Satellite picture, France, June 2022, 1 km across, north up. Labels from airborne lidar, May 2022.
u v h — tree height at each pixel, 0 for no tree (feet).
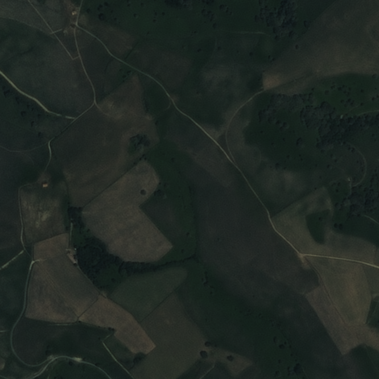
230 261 0
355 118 27
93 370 0
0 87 37
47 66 0
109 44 0
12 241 0
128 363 0
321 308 0
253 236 0
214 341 0
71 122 0
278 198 0
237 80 0
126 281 0
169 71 0
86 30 0
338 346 0
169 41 0
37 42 0
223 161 0
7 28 0
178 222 0
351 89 35
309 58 0
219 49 29
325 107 64
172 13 0
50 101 0
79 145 0
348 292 0
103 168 0
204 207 0
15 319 0
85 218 0
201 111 0
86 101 0
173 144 0
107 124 0
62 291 0
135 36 0
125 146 0
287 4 52
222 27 0
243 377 0
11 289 0
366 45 0
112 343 0
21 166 0
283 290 0
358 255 0
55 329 0
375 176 34
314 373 0
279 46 0
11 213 0
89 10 36
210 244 0
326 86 0
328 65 0
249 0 0
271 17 56
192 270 0
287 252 0
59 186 0
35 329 0
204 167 0
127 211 0
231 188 0
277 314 0
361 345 0
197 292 0
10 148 0
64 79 0
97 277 27
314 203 0
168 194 0
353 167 0
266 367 0
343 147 0
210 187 0
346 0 0
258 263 0
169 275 0
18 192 0
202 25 0
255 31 0
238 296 0
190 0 60
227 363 0
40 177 0
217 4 0
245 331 0
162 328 0
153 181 0
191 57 0
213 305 0
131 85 0
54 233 0
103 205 0
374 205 47
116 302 0
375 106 0
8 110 0
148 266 35
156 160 0
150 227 0
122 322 0
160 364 0
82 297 0
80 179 0
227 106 0
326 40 0
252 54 39
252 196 0
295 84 0
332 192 0
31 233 0
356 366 0
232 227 0
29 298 0
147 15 0
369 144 0
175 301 0
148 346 0
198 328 0
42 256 0
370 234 0
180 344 0
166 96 0
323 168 0
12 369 0
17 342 0
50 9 0
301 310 0
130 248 0
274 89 0
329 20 0
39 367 0
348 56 0
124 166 0
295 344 0
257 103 0
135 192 0
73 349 0
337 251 0
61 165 0
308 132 0
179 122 0
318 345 0
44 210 0
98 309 0
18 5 0
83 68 0
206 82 0
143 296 0
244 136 0
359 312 0
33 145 0
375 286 0
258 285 0
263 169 0
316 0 0
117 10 0
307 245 0
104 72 0
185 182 0
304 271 0
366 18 0
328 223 0
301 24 0
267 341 0
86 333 0
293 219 0
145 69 0
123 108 0
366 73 0
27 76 0
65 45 0
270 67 0
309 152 0
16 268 0
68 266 0
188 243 0
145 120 0
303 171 0
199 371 0
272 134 0
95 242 36
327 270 0
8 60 0
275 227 0
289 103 63
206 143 0
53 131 0
